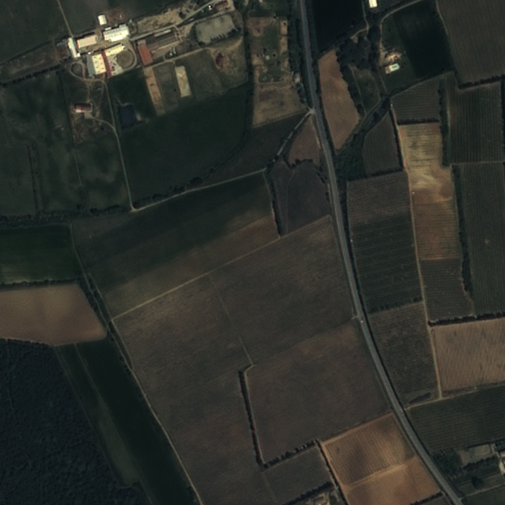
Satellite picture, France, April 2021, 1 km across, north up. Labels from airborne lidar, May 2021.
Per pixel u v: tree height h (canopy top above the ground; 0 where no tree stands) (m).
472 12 0
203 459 0
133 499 14
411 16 0
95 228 0
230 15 0
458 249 0
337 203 0
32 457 8
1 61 0
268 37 0
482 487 21
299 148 0
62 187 0
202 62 0
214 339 0
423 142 0
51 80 0
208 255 0
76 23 0
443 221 0
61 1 0
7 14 0
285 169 0
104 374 0
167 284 0
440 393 0
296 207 0
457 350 0
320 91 11
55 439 11
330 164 0
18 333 0
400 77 0
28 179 0
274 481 0
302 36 13
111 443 0
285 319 0
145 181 0
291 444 0
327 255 0
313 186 0
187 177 0
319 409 0
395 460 0
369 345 0
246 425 0
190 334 0
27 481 7
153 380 0
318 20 0
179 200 0
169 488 0
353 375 0
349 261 0
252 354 0
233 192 0
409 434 0
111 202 0
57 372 10
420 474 0
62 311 0
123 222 0
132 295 0
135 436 0
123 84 0
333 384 0
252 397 0
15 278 0
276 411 0
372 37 15
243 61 0
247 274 0
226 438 0
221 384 0
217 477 0
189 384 0
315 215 0
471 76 0
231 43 0
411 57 0
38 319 0
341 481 0
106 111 0
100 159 0
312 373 0
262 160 0
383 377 0
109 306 0
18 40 0
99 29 0
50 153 0
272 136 0
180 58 0
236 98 0
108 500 12
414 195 0
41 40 0
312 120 0
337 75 0
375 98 0
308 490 0
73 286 0
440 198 0
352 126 0
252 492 0
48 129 0
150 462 0
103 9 0
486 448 0
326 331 0
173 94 0
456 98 0
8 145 0
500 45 0
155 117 0
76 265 0
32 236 0
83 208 11
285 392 0
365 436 0
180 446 0
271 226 0
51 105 0
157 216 0
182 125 0
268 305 0
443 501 0
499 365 0
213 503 0
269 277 0
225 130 0
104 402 0
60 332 0
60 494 9
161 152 0
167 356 0
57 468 10
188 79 0
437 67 0
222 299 0
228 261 0
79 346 0
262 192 0
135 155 0
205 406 0
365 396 0
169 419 0
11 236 0
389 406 0
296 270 0
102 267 0
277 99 0
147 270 0
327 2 0
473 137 0
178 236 0
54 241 0
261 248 0
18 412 10
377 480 0
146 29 0
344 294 0
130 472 0
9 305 0
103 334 0
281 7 0
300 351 0
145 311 0
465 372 0
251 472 0
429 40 0
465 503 10
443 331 0
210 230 0
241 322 0
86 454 8
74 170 0
